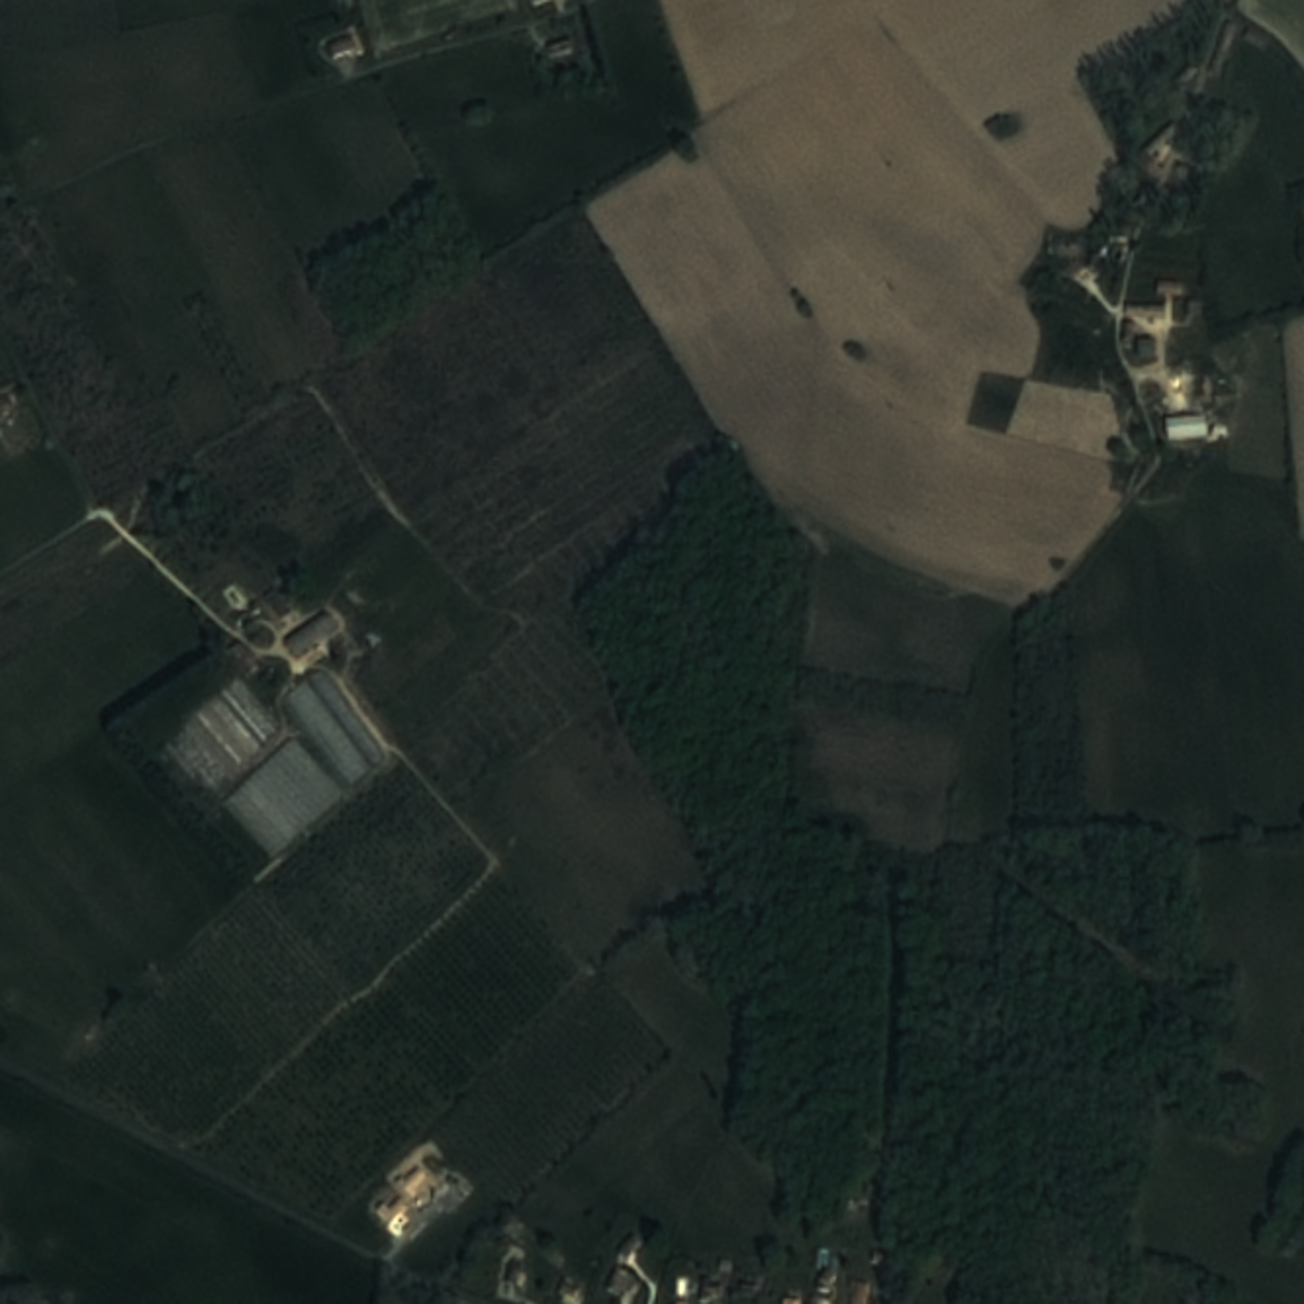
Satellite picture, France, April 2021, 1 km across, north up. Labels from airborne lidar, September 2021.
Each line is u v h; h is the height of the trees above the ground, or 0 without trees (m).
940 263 0
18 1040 0
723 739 20
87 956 0
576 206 6
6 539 0
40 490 0
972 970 19
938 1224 18
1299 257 8
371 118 0
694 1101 0
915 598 0
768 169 0
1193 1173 0
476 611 0
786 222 0
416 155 10
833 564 0
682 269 0
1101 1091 21
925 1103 24
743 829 25
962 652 0
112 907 0
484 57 0
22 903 0
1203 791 0
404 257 21
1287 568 0
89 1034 0
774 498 0
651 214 0
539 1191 7
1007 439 0
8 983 0
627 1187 0
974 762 0
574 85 9
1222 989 12
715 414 0
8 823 0
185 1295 0
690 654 25
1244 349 0
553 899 0
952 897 10
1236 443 0
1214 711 0
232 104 0
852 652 0
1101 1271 16
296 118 0
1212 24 17
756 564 20
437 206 23
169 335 0
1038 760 9
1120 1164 21
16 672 0
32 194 0
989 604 0
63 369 7
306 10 0
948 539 0
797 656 7
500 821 0
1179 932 23
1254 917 0
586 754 0
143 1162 0
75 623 0
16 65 0
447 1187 0
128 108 0
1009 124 7
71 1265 0
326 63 0
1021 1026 26
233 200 0
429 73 0
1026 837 21
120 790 0
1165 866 23
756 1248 0
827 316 0
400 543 0
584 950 0
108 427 6
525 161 0
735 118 0
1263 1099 15
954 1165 12
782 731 10
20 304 9
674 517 23
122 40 0
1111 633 0
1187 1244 0
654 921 13
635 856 0
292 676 0
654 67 0
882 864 9
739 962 25
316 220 0
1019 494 0
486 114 13
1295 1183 20
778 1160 21
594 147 0
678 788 16
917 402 0
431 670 0
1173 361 0
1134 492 0
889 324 0
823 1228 12
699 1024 0
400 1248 0
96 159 0
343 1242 0
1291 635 0
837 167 0
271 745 0
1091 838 21
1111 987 22
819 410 0
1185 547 0
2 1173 0
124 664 0
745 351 0
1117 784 0
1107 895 25
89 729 0
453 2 0
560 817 0
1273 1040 0
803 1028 26
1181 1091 18
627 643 22
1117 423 0
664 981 0
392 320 19
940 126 0
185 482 24
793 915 28
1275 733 0
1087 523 0
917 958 23
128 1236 0
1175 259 0
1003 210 0
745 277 0
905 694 13
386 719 0
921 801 0
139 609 0
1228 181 0
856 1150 24
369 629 0
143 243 0
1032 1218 19
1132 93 15
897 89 0
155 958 0
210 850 15
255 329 0
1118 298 10
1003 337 0
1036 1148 22
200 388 0
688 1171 0
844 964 25
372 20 0
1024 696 11
